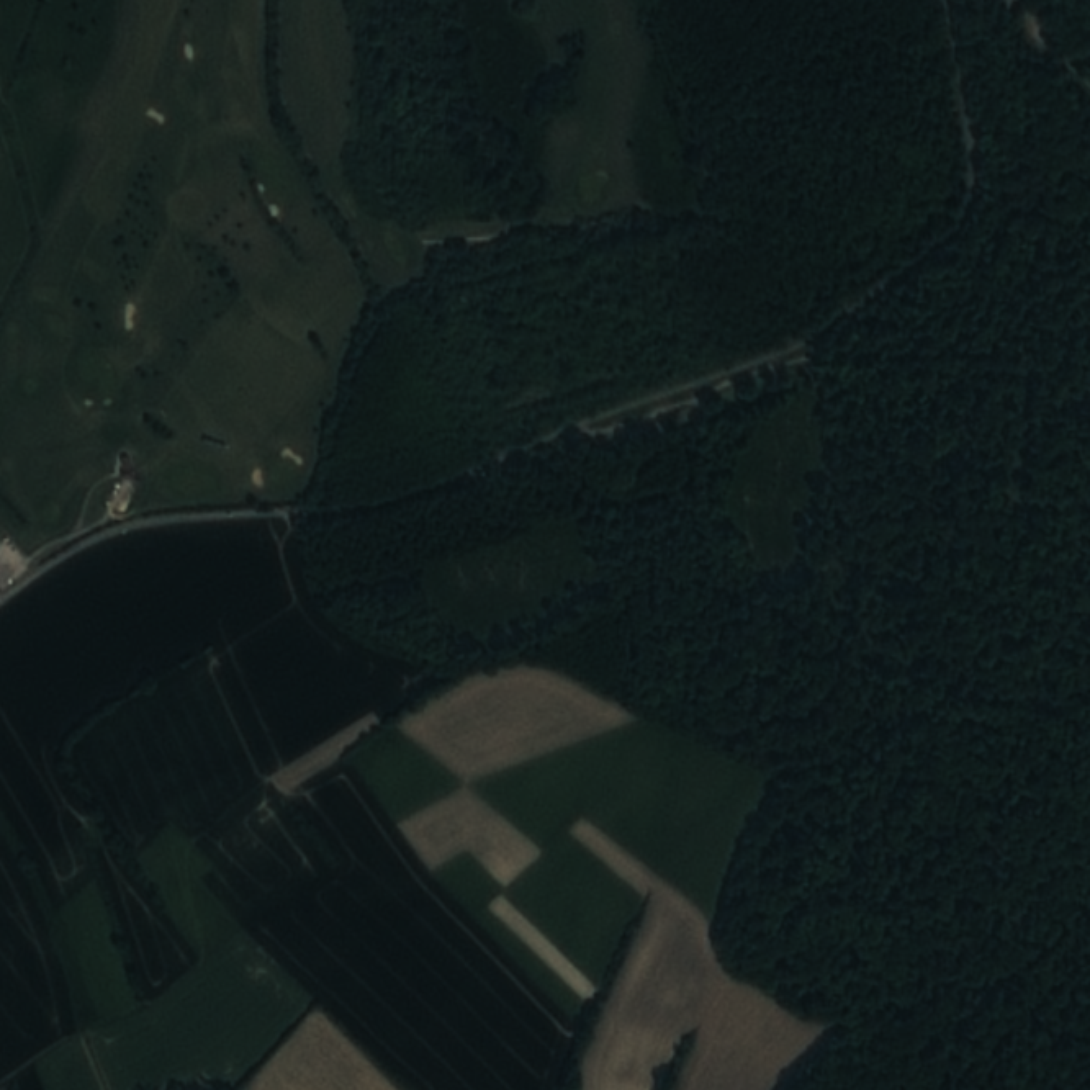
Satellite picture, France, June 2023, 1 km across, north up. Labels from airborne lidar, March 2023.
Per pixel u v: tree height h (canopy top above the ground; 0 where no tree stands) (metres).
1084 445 26
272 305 0
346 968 0
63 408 0
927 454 23
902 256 11
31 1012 0
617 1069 0
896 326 19
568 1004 0
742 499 0
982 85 22
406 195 10
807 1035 0
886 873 26
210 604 0
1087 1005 26
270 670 0
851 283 16
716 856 0
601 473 21
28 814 0
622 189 0
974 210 18
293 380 0
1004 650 23
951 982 27
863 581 31
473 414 8
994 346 26
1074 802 26
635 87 0
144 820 0
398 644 19
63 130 0
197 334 0
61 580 0
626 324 17
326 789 0
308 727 0
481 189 8
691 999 0
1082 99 23
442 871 0
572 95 19
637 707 17
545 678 0
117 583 0
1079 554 21
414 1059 0
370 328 12
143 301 0
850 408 27
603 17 0
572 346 15
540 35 0
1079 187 29
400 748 0
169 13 0
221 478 0
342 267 0
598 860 0
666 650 23
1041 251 30
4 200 0
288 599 0
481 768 0
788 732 29
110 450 0
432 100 6
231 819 0
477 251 8
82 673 0
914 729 25
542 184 22
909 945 28
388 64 8
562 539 0
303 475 0
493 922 0
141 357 0
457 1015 0
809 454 0
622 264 19
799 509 0
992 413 28
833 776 28
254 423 0
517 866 0
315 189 9
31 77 0
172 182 0
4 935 0
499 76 0
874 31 13
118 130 0
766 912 25
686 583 28
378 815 0
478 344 10
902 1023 32
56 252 0
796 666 27
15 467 0
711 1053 0
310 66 0
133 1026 0
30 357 0
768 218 11
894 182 16
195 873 0
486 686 0
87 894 0
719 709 25
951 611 25
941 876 29
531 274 21
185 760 0
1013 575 21
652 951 0
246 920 0
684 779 0
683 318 14
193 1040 0
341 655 0
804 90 16
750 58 11
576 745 0
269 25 7
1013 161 17
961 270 23
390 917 0
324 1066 0
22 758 0
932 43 14
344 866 0
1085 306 17
